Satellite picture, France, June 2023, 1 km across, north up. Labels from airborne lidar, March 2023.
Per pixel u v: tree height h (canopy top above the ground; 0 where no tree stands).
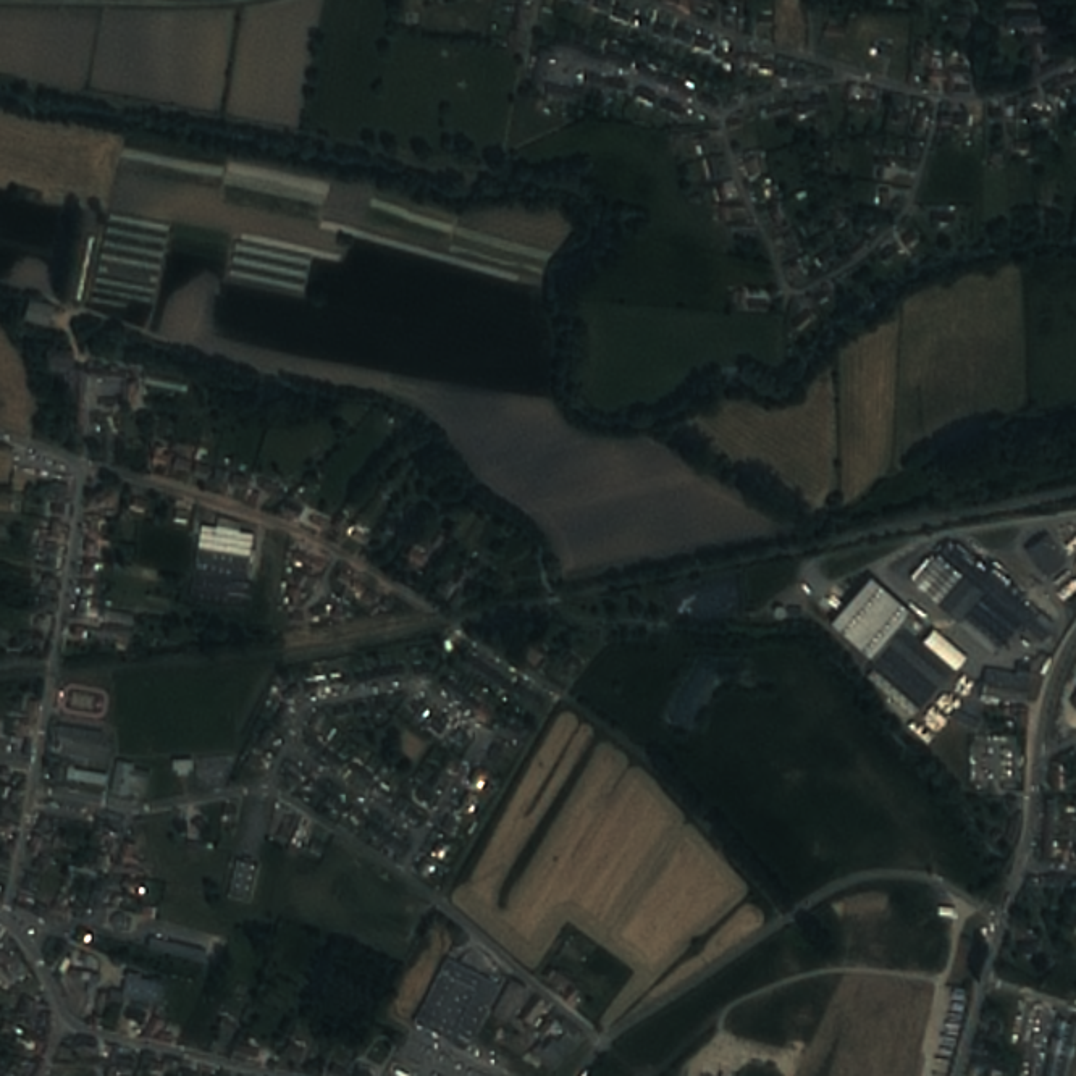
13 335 11
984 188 0
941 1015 0
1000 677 0
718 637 11
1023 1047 0
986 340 0
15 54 0
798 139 9
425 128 0
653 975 0
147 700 0
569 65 0
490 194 13
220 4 0
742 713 0
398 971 15
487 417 0
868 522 6
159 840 0
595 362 0
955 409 0
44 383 19
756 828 0
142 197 0
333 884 0
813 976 0
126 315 0
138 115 12
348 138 0
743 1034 0
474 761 0
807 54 0
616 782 0
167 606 0
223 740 0
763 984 0
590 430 14
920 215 0
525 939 0
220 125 12
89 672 0
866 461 0
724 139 0
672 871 0
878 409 0
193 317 0
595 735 0
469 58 0
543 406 0
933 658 0
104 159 0
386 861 0
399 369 0
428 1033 0
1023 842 0
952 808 11
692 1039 0
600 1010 0
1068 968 0
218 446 0
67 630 0
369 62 0
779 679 0
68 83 0
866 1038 0
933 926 0
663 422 17
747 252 14
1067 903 8
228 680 0
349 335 0
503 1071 0
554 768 0
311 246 0
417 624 0
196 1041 0
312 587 0
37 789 0
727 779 0
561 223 0
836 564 0
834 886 0
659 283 0
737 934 0
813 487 0
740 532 0
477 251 0
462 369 0
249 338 0
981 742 0
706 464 20
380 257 0
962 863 0
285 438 0
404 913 0
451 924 11
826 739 0
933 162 0
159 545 0
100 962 0
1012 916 9
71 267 23
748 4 7
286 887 0
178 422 8
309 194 0
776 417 0
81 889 6
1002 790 0
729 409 0
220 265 0
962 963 0
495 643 21
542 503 0
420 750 0
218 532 0
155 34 0
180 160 0
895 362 0
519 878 0
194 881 0
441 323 0
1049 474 11
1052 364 0
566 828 0
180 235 0
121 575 0
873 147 0
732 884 0
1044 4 20
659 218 0
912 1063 0
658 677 0
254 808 0
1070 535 0
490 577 12
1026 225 9
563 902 0
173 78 0
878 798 0
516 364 0
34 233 0
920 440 0
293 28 0
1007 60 10
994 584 0
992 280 0
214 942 0
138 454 0
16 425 0
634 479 0
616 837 0
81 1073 0
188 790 0
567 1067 0
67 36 0
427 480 10
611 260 32
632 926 0
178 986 0
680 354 0
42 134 0
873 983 0
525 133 0
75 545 0
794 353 0
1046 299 0
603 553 0
